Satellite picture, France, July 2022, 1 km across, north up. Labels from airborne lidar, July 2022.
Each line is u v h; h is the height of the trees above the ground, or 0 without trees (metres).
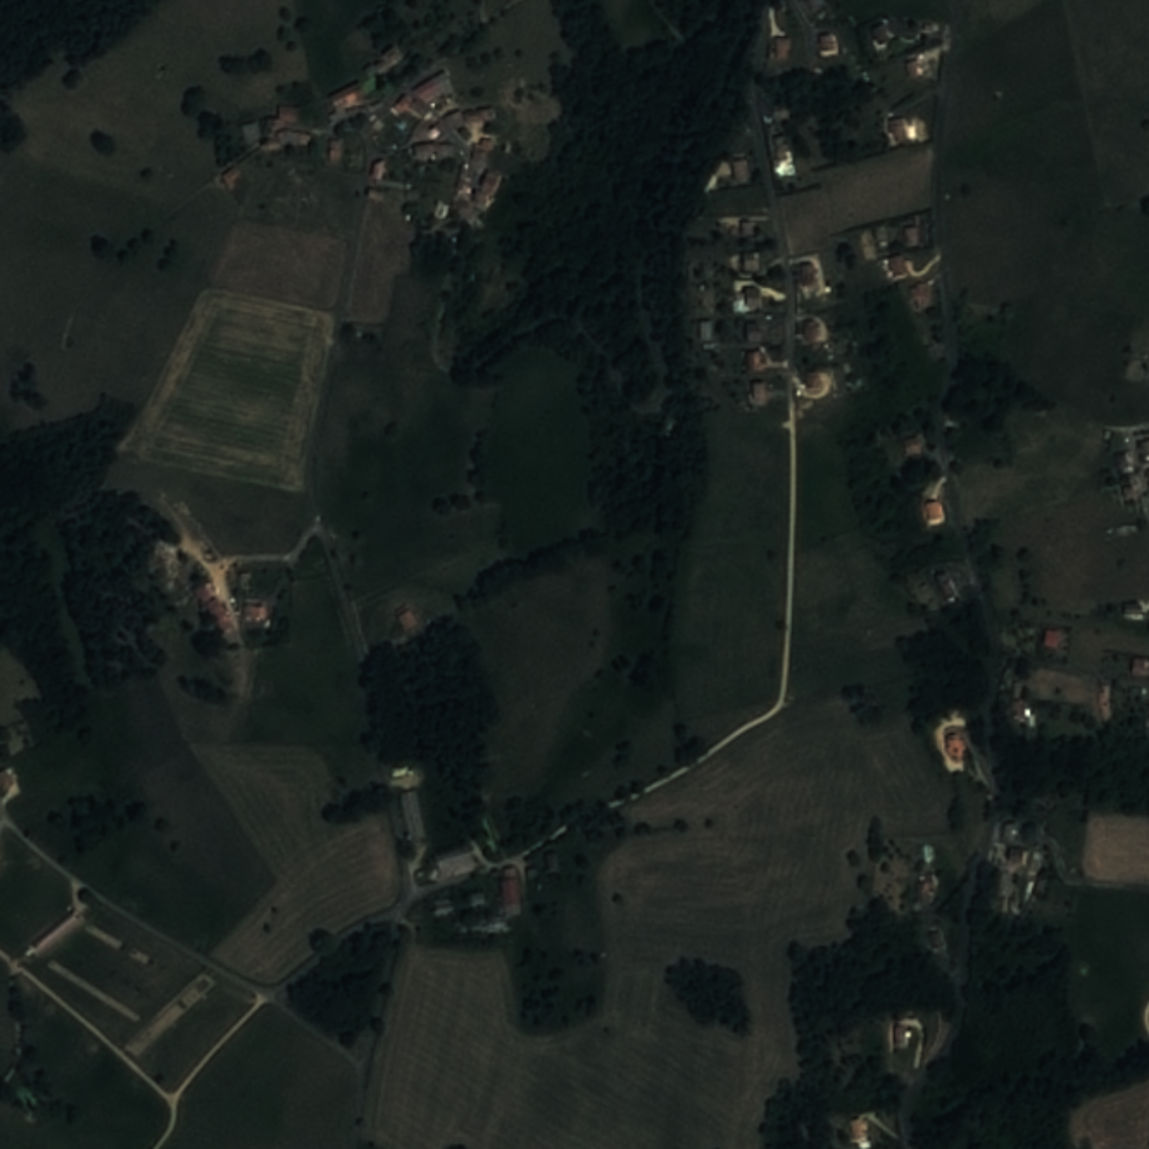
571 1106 0
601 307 21
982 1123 14
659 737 0
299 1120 0
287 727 0
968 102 0
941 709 12
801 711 0
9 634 26
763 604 0
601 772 0
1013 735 16
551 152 5
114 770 0
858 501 6
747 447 0
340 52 0
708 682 0
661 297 14
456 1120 0
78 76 9
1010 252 0
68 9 18
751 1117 0
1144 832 0
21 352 0
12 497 27
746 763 0
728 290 7
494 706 14
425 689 25
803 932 0
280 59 0
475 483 11
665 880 0
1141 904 0
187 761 0
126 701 0
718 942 0
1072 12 0
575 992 0
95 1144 0
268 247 0
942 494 0
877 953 13
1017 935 16
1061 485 0
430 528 0
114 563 12
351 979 14
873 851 11
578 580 0
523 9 0
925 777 0
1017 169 0
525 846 11
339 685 0
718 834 0
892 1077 14
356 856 0
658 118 26
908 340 0
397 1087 0
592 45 16
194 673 0
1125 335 0
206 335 0
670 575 12
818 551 0
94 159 0
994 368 16
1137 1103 0
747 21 14
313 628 0
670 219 16
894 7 0
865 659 0
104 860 0
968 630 13
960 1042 8
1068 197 0
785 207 0
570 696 0
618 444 11
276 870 0
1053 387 0
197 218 0
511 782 0
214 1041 0
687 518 8
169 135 0
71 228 0
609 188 17
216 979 0
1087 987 0
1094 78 0
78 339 0
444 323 8
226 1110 0
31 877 0
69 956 0
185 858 0
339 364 0
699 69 32
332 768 0
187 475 0
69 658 22
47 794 0
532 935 0
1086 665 0
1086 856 0
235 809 0
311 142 7
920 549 6
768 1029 0
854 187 0
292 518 0
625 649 0
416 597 0
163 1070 0
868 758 0
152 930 0
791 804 0
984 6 0
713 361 6
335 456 0
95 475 7
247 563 0
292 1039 0
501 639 0
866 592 0
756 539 0
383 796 20
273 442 0
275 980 0
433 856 7
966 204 0
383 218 0
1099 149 0
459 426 0
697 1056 0
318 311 0
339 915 0
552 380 0
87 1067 0
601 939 0
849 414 0
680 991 15
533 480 0
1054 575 0
